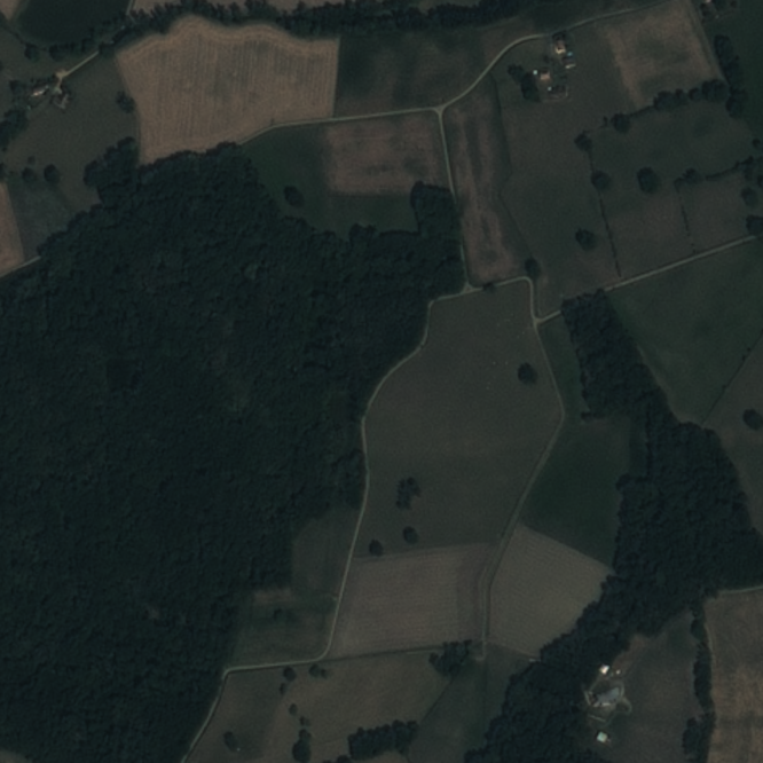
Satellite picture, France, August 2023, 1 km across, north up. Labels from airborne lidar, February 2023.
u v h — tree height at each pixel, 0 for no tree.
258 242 24
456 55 0
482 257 0
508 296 0
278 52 0
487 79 0
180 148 0
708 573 23
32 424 20
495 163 0
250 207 24
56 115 0
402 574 0
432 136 0
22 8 0
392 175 0
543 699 19
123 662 25
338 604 0
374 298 16
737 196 0
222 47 0
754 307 0
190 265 22
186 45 0
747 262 0
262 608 0
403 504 13
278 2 0
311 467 23
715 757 0
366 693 0
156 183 23
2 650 21
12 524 21
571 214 0
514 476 0
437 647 0
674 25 0
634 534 19
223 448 24
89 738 21
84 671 22
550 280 0
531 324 0
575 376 0
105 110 0
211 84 0
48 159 0
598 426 0
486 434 0
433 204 22
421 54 0
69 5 0
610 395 25
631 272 0
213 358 18
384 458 0
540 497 0
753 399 0
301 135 0
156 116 0
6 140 19
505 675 0
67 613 22
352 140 0
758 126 0
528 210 0
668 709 0
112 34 0
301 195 12
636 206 0
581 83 0
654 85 0
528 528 0
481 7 0
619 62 0
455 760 0
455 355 0
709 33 0
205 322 19
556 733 28
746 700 0
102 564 25
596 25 0
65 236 13
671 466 24
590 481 0
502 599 0
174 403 21
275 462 20
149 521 24
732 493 26
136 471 19
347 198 0
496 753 16
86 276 22
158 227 23
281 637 0
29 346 25
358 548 0
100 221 19
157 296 15
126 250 27
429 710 0
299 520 19
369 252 8
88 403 20
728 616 0
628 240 0
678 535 28
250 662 0
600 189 19
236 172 20
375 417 0
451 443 0
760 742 0
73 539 24
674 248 0
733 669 0
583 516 0
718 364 0
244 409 15
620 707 0
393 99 0
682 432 22
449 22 32
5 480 21
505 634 0
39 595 16
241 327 20
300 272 21
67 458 14
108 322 21
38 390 23
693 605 16
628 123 13
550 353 0
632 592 28
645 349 0
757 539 21
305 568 0
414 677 0
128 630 22
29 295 28
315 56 0
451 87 0
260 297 18
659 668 0
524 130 0
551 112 0
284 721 0
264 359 16
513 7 32
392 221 0
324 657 0
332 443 18
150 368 25
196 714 14
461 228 19
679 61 0
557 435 0
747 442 0
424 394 0
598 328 23
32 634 20
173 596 20
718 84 7
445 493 0
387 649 0
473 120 0
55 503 26
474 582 0
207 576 22
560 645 14
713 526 28
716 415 0
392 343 20
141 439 18
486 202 0
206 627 15
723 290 0
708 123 0
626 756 0
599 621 21
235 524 22
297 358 16
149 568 21
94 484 18
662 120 0
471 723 0
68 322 20
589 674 13
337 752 0
